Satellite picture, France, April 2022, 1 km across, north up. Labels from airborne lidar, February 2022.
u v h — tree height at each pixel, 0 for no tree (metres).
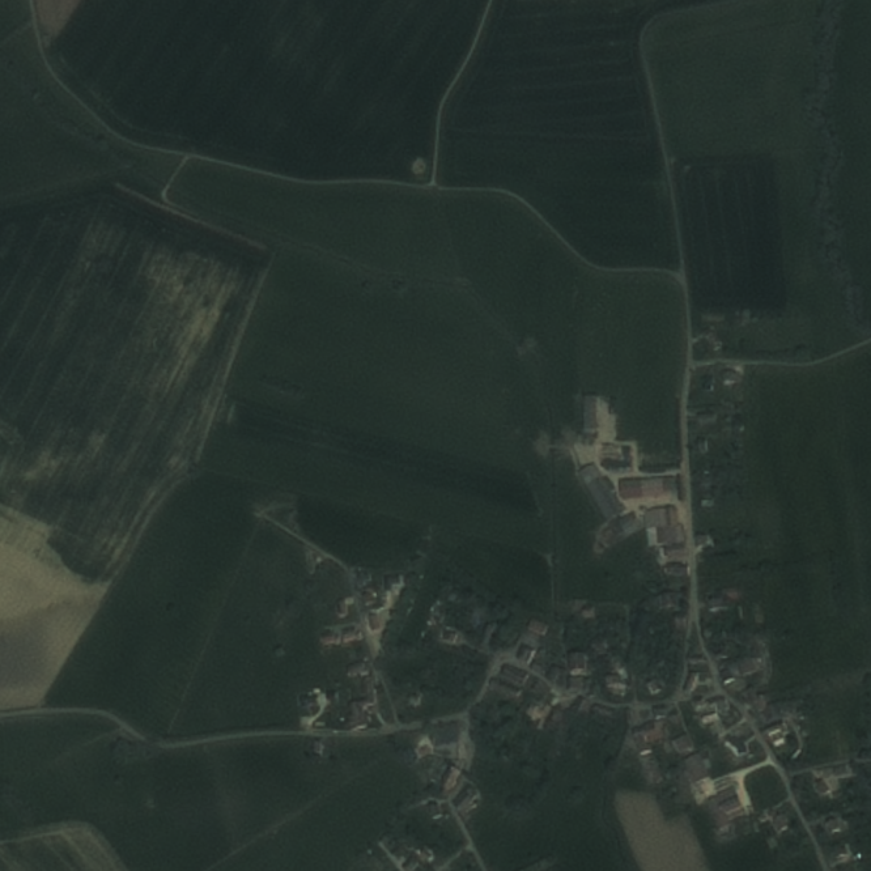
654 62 0
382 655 10
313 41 0
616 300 0
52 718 0
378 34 0
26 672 0
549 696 0
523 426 0
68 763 0
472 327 0
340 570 0
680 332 0
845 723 0
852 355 0
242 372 0
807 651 0
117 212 0
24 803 16
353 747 0
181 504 0
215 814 0
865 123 0
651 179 0
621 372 0
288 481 0
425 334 0
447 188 0
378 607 0
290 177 0
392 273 0
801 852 15
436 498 0
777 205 0
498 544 0
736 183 0
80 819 0
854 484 0
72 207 0
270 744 0
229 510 0
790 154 0
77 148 0
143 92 0
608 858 0
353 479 0
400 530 0
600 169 0
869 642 0
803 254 0
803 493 0
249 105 0
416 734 0
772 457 0
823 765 0
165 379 0
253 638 0
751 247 0
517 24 0
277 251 0
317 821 0
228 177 0
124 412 0
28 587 0
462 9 0
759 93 0
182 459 0
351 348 0
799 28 0
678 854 0
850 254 0
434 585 0
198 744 0
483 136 0
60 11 0
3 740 0
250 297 0
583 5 0
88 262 0
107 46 0
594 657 11
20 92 0
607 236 0
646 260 0
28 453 0
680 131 0
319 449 0
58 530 0
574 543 0
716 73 0
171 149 0
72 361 0
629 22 0
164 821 0
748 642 7
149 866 0
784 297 0
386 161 0
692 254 0
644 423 0
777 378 0
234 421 0
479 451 0
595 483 0
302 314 0
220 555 0
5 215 0
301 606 13
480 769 0
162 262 0
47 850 0
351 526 0
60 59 0
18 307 0
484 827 0
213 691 0
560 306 0
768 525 0
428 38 0
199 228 0
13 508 0
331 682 0
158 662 0
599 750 0
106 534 0
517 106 0
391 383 0
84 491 0
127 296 0
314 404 0
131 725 0
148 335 0
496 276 0
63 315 0
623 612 0
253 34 0
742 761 0
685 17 0
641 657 7
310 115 0
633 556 0
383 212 0
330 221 0
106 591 0
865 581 0
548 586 0
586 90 0
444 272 0
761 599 0
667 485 0
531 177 0
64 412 0
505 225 0
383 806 0
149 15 0
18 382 0
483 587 6
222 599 0
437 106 0
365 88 0
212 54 0
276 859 0
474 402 0
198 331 0
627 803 0
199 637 0
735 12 0
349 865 0
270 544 0
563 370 0
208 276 0
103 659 0
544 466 0
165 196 0
